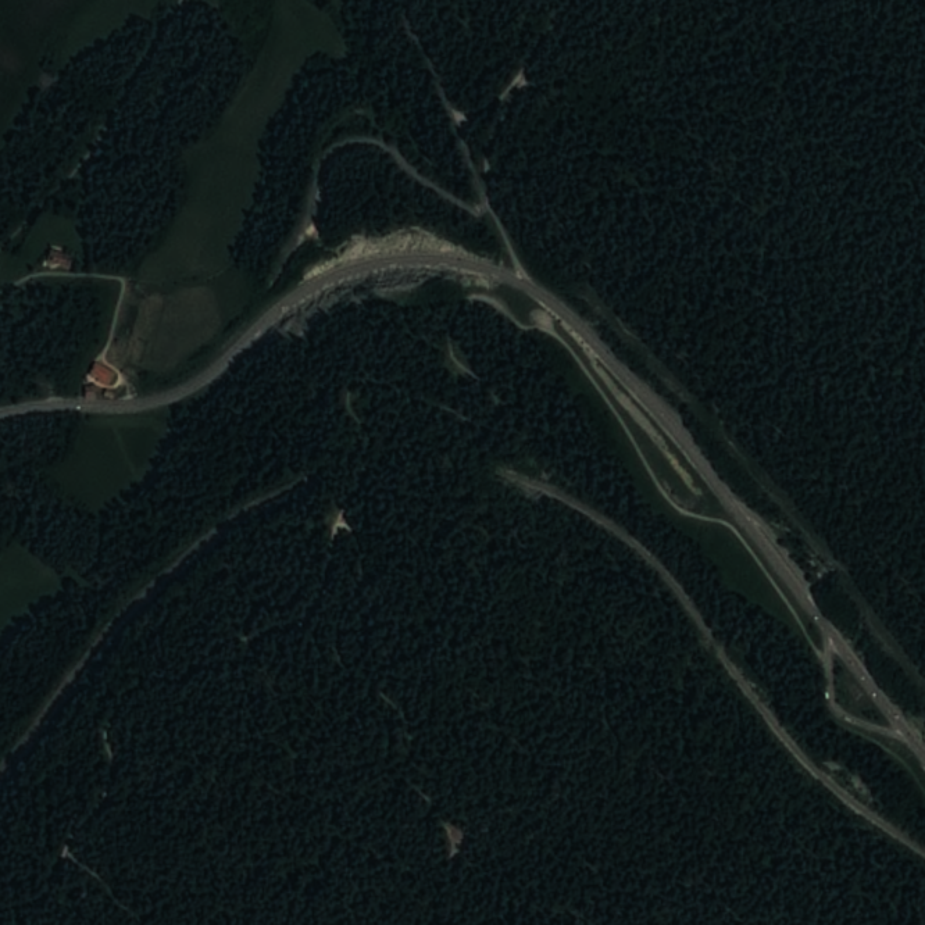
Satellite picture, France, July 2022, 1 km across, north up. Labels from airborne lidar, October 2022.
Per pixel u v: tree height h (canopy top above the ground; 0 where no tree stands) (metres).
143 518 26
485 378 28
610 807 18
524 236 17
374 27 25
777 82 31
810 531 0
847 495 15
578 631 26
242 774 25
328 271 0
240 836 19
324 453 25
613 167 25
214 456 27
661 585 20
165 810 22
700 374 18
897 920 13
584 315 8
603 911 19
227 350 0
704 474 0
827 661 0
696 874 26
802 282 23
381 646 30
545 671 24
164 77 24
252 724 22
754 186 20
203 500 25
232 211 0
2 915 22
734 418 13
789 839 23
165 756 24
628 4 17
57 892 21
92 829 18
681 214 19
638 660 16
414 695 28
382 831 17
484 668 19
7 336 17
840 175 16
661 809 21
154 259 0
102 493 0
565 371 7
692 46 13
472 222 16
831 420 17
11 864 27
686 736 22
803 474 16
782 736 0
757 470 0
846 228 20
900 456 18
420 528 28
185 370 0
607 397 0
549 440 17
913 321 23
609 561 25
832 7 27
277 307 0
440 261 0
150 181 22
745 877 25
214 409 18
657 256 18
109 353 0
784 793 11
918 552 20
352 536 16
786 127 29
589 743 22
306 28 0
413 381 26
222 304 0
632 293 24
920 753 0
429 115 29
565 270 24
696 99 17
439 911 24
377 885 21
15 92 0
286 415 21
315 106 25
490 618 22
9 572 0
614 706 17
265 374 23
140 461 0
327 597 30
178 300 0
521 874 20
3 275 0
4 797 26
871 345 20
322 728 19
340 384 20
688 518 0
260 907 23
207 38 30
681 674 7
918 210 16
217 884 26
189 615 20
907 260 26
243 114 0
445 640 32
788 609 0
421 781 18
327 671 22
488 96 28
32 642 29
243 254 23
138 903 18
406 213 22
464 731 16
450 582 32
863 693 0
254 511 8
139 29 18
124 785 19
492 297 0
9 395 11
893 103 13
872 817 0
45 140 8
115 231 20
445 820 16
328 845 29
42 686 23
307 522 29
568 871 24
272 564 25
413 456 23
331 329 22
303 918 25
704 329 27
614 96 7
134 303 0
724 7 20
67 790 20
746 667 6
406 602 27
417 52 27
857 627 9
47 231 0
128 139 32
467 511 25
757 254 23
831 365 21
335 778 18
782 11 18
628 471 11
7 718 28
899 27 23
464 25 20
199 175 0
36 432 14
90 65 16
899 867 20
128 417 0
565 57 24
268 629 23
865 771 20
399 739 27
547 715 20
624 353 12
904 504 18
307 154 17
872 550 17
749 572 0
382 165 10
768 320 25
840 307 10
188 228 0
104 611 14
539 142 6
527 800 15
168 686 24
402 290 0
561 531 17
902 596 14
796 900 22
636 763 14
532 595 19
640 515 18
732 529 0
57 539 28
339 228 24
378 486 25
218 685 21
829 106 21
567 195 21
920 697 12
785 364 23
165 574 0
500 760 21
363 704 20
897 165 23
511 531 21
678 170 10
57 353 15
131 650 22
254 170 0
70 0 0
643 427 0
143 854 16
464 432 28
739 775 21
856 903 20
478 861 18
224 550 23
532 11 11
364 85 24
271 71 0
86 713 22
